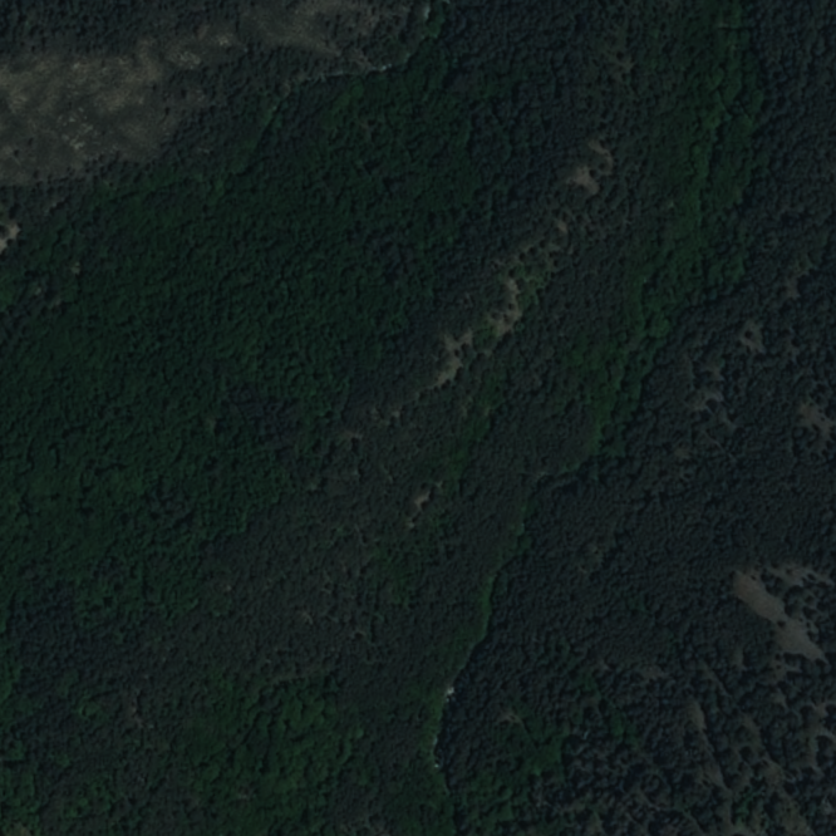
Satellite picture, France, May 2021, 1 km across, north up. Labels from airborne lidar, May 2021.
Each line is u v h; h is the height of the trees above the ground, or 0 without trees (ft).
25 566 53
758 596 0
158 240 58
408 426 85
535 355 68
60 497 86
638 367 95
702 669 75
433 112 56
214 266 41
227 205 42
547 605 78
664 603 83
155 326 54
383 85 92
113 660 79
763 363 67
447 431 88
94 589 70
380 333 40
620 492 95
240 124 97
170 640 50
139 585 49
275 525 80
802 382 59
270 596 82
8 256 62
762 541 77
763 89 78
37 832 63
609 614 81
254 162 66
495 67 58
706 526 77
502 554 61
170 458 67
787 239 73
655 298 96
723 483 83
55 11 79
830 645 73
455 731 98
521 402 83
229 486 38
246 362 67
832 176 80
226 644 96
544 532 79
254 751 116
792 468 79
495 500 100
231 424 44
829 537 68
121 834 67
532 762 56
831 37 89
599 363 68
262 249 31
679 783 59
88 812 100
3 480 83
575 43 96
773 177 83
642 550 81
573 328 74
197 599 37
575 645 84
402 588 49
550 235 73
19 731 86
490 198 97
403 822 56
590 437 95
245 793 54
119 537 70
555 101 84
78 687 80
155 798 127
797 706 64
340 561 85
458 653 69
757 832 24
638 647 98
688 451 70
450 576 81
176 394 66
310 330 56
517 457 100
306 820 48
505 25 106
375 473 84
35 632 80
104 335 68
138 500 60
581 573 86
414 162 55
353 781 64
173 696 91
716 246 54
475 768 85
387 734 77
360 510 78
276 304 36
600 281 70
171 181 63
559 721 47
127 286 62
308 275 75
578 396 51
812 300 66
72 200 84
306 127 104
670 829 94
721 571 76
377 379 70
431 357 59
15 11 103
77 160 0
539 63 69
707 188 48
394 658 97
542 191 68
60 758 41
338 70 69
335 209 42
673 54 101
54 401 61
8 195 96
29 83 0
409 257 91
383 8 33
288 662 98
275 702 109
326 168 43
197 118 46
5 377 51
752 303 80
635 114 70
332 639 99
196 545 49
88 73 0
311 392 65
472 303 77
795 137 71
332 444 26
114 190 35
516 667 93
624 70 40
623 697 83
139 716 34
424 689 51
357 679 107
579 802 91
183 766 73
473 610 88
